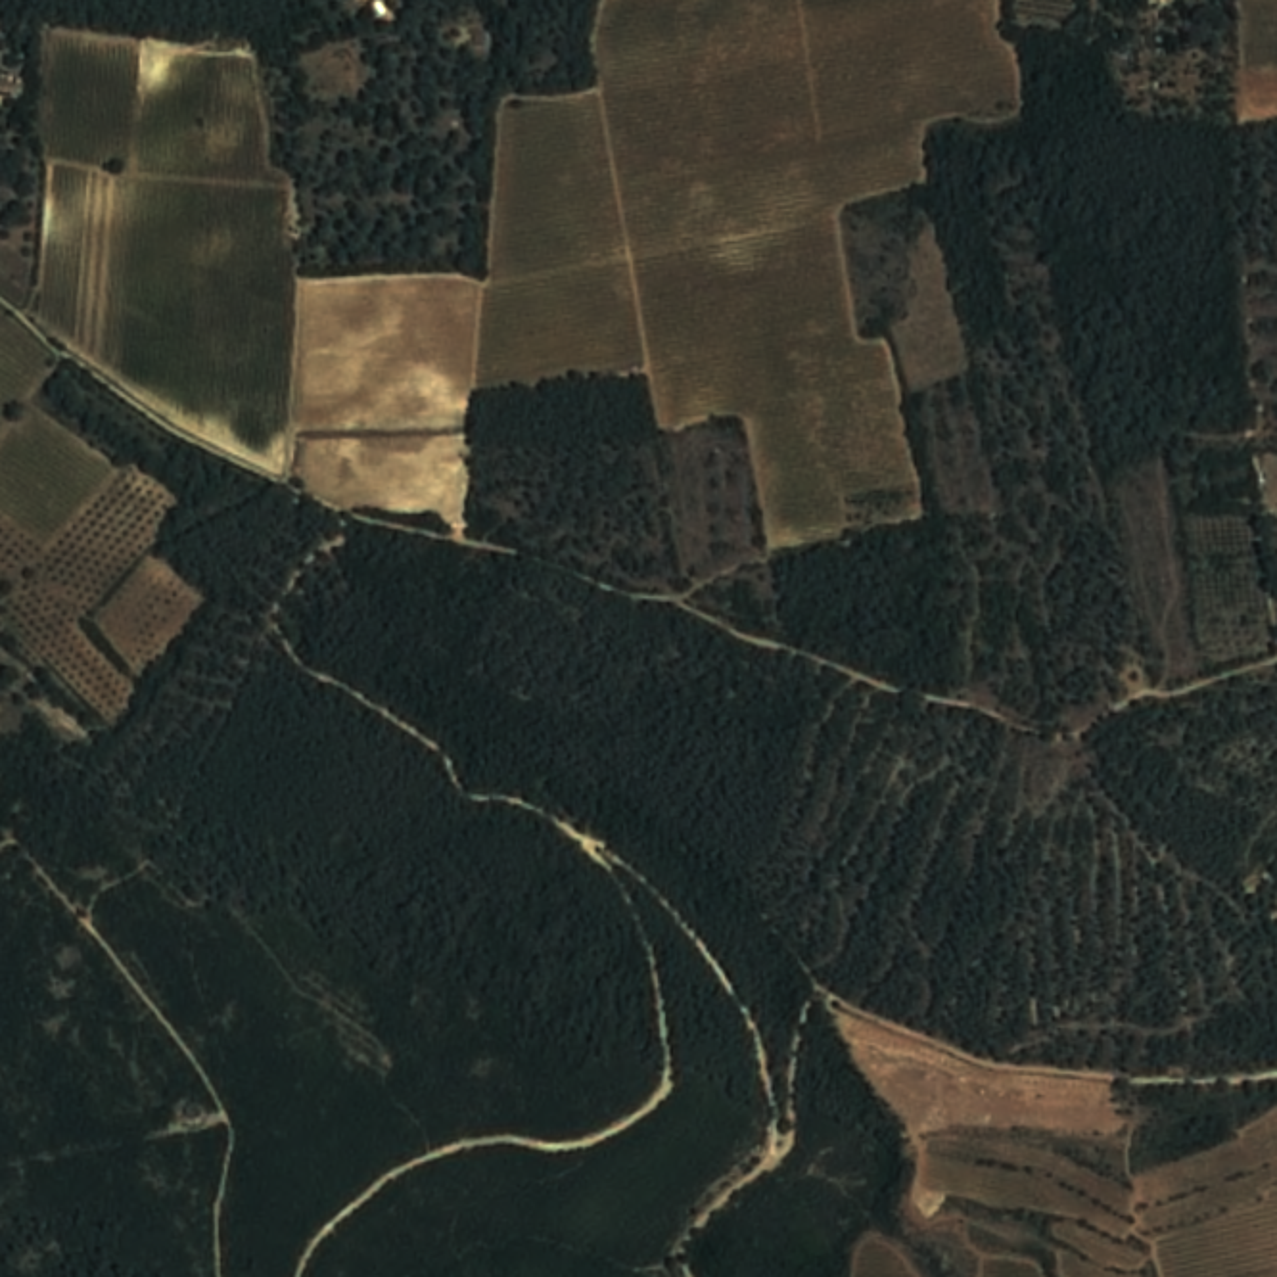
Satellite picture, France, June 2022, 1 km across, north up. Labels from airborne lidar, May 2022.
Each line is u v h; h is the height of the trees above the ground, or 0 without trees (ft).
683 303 0
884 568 45
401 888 61
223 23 49
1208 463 25
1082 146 55
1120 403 57
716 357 0
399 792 52
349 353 0
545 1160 20
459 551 20
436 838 49
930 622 22
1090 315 59
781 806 50
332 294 0
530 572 41
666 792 45
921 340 0
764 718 20
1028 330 38
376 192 77
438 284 0
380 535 40
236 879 40
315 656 64
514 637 41
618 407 56
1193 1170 0
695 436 0
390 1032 19
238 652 45
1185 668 0
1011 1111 0
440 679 23
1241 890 41
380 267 31
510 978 53
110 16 33
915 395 22
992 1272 0
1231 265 28
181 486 21
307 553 48
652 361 0
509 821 31
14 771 18
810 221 0
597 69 45
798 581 54
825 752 43
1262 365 29
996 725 43
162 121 0
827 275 0
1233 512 22
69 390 43
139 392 0
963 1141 0
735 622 23
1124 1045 58
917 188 21
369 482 0
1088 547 56
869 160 0
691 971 54
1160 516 0
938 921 61
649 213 0
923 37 0
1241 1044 46
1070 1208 0
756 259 0
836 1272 39
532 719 19
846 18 0
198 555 55
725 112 0
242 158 0
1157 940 50
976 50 0
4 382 0
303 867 42
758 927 56
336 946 32
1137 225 65
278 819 50
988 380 47
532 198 0
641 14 0
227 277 0
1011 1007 47
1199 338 31
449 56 63
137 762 42
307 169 52
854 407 0
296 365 0
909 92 0
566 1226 17
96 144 0
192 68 0
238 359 0
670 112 0
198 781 51
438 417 0
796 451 0
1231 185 31
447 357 0
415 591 19
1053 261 64
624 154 0
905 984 43
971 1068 0
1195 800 52
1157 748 40
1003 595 20
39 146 26
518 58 56
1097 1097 0
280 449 0
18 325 0
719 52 0
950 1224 0
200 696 50
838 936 25
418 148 61
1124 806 53
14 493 0
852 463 0
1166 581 0
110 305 0
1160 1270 0
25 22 52
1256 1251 0
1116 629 51
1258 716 42
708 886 61
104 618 0
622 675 45
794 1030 43
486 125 51
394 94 53
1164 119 52
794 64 0
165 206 0
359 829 45
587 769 58
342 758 43
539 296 0
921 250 0
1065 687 48
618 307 0
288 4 38
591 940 49
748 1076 55
